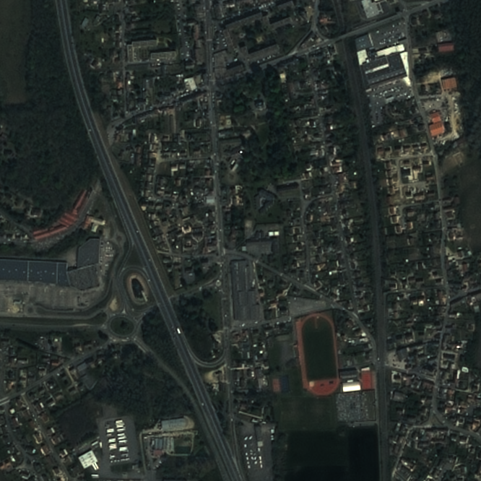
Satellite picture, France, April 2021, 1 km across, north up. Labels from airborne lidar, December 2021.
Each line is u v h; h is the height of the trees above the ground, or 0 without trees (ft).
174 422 0
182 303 41
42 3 54
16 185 69
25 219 57
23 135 73
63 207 62
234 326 0
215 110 20
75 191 79
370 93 0
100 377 23
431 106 0
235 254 0
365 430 0
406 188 0
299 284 0
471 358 25
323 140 0
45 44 76
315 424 0
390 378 0
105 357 33
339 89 30
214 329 67
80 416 0
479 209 0
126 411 35
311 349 0
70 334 50
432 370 0
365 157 0
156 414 44
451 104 0
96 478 0
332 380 0
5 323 0
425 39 38
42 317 0
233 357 0
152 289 0
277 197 43
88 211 0
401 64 0
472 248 0
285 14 63
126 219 0
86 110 0
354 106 58
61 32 0
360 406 0
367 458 0
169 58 0
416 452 0
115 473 0
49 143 80
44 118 82
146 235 0
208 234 26
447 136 0
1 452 0
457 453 19
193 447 0
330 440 0
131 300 0
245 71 0
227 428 52
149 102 0
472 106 69
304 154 39
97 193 0
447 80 0
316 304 0
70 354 0
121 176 0
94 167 68
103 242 0
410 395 32
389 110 18
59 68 73
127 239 0
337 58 29
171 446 0
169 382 79
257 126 63
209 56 0
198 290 0
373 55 0
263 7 0
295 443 0
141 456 28
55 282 0
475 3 105
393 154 0
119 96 31
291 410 0
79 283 0
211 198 0
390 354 0
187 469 85
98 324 0
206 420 0
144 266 0
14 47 0
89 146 65
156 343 113
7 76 0
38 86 55
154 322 59
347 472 0
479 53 76
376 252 0
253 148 56
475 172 0
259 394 55
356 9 0
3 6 0
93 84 61
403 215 0
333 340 0
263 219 0
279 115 72
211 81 0
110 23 29
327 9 39
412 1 0
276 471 31
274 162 52
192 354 0
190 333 53
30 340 0
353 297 0
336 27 51
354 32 0
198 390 0
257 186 0
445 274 0
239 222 18
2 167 72
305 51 0
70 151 78
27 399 0
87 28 0
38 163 74
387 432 0
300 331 0
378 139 0
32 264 0
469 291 0
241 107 84
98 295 0
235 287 0
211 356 36
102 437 0
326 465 0
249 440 0
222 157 0
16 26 0
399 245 0
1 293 0
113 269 0
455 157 0
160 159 0
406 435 0
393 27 0
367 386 0
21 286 0
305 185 0
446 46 0
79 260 0
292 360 25
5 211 33
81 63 50
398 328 0
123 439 0
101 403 0
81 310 0
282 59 0
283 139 77
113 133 0
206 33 0
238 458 0
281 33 90
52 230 0
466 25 85
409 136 0
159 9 41
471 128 81
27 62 40
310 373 0
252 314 0
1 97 52
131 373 32
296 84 0
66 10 0
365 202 27
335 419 0
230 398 0
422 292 0
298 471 0
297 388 0
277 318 0
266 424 0
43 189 79
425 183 0
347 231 0
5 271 0
